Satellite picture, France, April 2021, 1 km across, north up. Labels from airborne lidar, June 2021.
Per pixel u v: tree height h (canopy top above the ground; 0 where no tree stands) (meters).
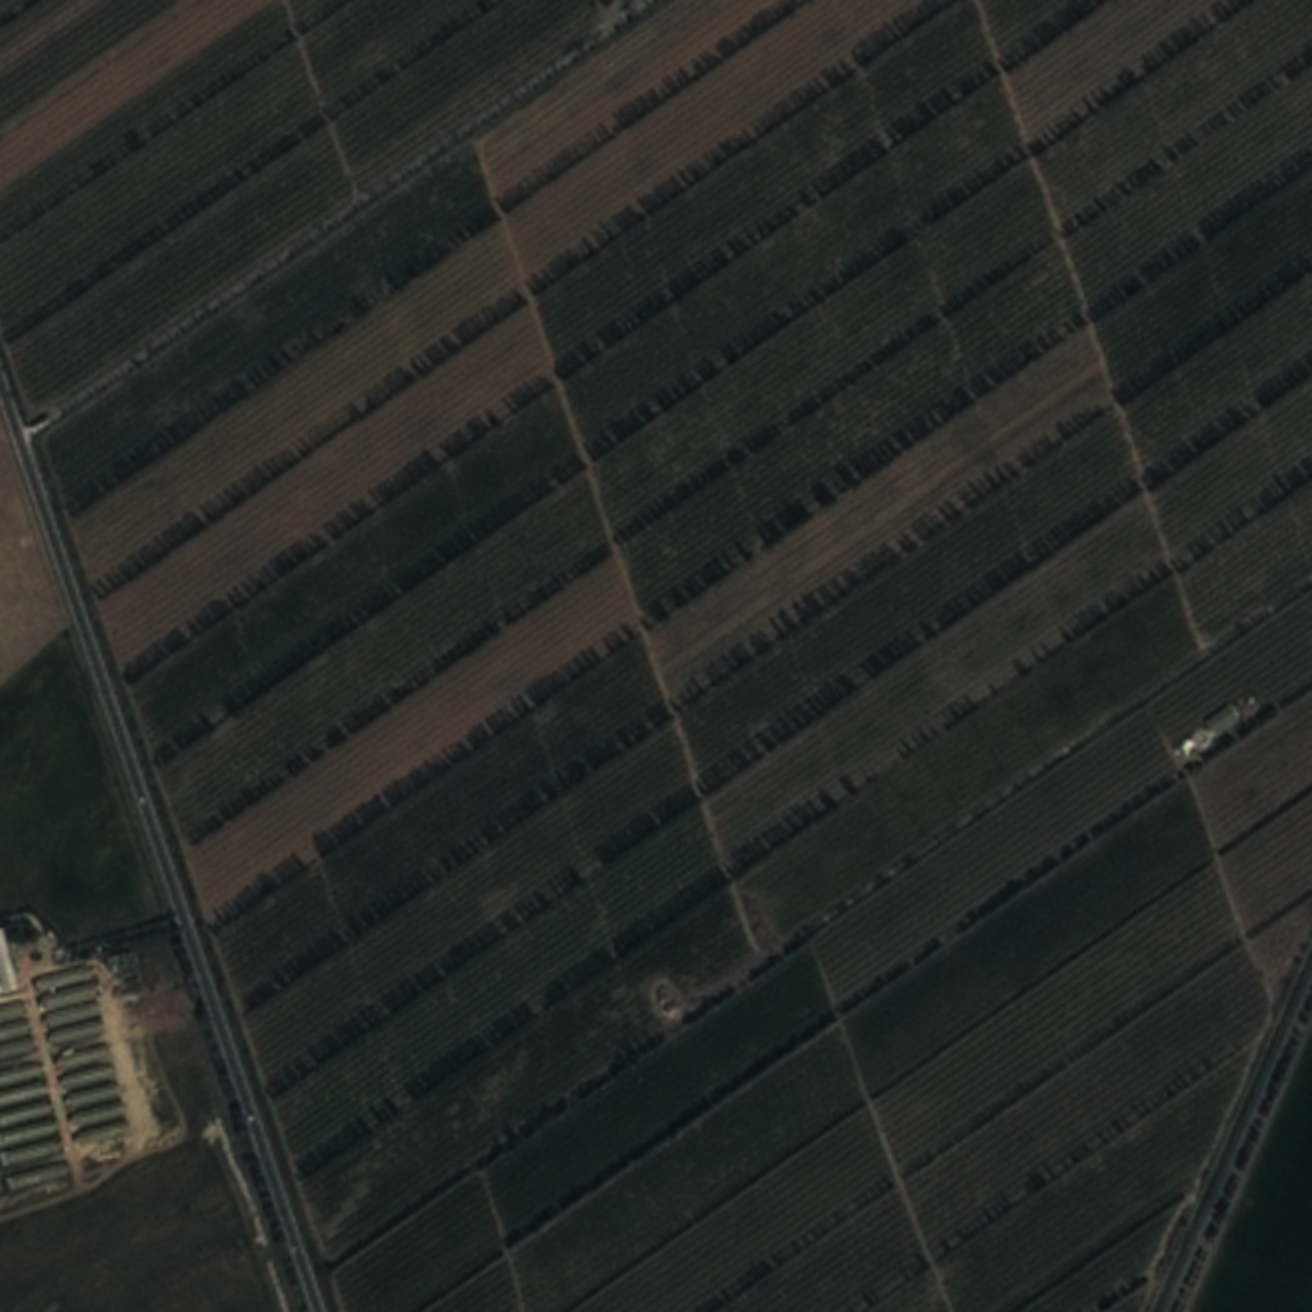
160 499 0
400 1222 9
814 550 0
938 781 0
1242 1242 0
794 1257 13
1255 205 22
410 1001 24
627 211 0
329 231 9
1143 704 12
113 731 0
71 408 9
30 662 0
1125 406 21
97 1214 0
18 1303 0
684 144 0
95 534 0
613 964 21
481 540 24
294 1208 0
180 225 17
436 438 0
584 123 0
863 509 0
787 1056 12
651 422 22
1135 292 21
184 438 22
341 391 0
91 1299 0
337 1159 21
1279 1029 0
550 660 0
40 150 0
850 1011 11
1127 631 0
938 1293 0
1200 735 0
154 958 0
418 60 16
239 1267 0
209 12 0
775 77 0
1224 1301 0
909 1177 10
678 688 0
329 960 23
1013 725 0
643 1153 11
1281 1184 0
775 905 0
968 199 19
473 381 0
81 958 6
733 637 0
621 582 0
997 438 0
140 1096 0
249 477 0
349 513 0
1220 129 15
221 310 6
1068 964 7
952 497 0
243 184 16
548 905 19
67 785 0
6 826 0
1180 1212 0
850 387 12
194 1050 0
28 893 0
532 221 0
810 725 25
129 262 16
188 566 0
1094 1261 10
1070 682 0
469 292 0
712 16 0
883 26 0
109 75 0
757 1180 10
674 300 7
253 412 0
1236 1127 0
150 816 0
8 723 0
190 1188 0
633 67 0
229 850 0
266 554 0
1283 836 0
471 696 0
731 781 13
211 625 20
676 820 25
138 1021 0
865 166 22
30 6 14
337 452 0
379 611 17
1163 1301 0
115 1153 0
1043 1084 11
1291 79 19
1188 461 19
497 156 0
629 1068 15
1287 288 18
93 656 0
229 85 15
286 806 0
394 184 11
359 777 0
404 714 0
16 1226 0
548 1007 11
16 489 0
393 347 0
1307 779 0
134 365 10
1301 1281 0
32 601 0
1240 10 21
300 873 22
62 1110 0
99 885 0
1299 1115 0
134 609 0
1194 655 0
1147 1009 10
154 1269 0
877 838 0
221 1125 0
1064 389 0
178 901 0
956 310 18
